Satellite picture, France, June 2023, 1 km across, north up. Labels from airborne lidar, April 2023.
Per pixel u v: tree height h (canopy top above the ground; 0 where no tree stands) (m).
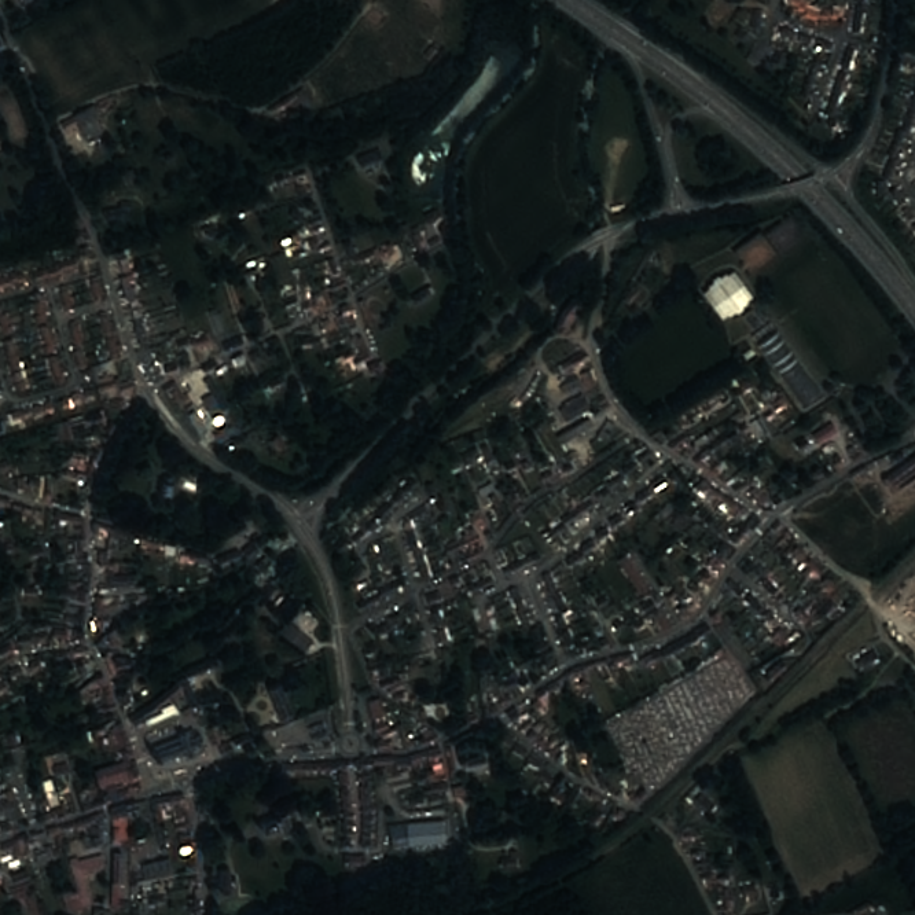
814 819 0
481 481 0
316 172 6
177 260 0
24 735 10
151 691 0
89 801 0
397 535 0
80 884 0
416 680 0
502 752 9
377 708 0
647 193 14
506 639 14
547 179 0
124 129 8
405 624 6
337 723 0
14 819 0
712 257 0
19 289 0
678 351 0
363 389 0
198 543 17
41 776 7
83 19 0
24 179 0
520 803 11
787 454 0
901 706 0
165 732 0
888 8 14
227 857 0
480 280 16
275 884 0
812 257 0
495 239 0
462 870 22
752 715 0
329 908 32
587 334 0
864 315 0
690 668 7
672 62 0
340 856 0
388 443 15
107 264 0
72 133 0
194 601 13
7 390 0
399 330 0
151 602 9
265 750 16
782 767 0
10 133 0
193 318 0
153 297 0
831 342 0
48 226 6
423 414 16
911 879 23
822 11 0
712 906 0
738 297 0
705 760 0
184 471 0
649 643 0
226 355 0
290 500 0
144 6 0
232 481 17
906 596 0
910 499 0
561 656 0
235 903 0
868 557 0
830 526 0
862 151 0
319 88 0
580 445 0
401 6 0
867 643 0
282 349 6
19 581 15
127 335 0
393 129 8
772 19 0
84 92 0
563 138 0
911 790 0
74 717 10
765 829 17
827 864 0
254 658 25
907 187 0
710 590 0
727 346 0
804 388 0
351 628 0
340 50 0
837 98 0
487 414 0
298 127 21
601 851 0
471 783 15
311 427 8
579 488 0
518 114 0
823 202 0
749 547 0
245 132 18
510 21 10
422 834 0
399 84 7
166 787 0
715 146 15
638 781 0
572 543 0
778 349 0
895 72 8
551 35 0
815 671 0
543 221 0
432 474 0
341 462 10
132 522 22
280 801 25
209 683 0
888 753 0
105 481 24
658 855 0
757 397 0
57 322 0
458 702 8
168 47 0
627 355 0
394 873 22
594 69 10
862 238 0
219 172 12
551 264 9
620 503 0
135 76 0
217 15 0
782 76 8
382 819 0
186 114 0
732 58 0
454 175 12
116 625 16
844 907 0
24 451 5
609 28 0
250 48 11
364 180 0
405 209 8
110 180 18
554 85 0
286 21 11
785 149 0
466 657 0
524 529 0
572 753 0
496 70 0
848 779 0
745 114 0
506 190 0
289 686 22
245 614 17
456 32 0
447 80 7
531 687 0
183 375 0
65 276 0
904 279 0
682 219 15
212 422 0
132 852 0
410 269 0
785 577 0
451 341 20
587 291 20
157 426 18
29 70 0
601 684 0
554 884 10
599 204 8
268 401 0
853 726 0
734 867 0
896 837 19
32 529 0
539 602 0
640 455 0
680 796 0
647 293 0
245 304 8
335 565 9
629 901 0
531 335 0
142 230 16
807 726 0
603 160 0
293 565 21
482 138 0
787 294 0
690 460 0
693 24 0
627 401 17
